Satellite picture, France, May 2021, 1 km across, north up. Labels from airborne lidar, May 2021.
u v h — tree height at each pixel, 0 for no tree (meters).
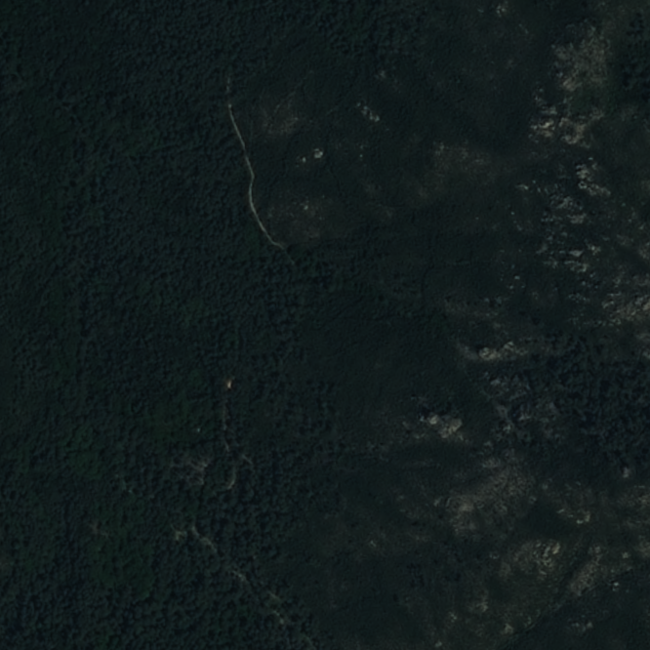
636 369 19
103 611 30
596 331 9
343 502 22
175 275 25
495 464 0
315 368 8
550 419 8
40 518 20
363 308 9
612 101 5
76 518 17
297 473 21
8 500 29
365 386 6
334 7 12
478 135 8
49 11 18
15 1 19
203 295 22
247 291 21
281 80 6
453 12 6
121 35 18
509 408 20
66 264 26
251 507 26
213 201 22
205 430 14
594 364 26
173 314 17
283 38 21
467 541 7
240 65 15
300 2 16
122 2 15
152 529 26
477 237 6
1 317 14
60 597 26
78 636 19
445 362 8
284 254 24
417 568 16
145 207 26
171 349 8
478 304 7
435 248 8
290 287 31
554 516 6
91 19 20
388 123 6
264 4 21
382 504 20
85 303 12
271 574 6
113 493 25
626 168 6
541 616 6
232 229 23
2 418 9
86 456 19
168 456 7
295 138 6
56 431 27
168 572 28
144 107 25
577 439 5
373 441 6
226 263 20
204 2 20
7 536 11
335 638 16
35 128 23
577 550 6
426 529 17
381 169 7
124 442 30
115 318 18
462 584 12
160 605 31
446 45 6
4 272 15
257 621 7
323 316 8
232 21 18
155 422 9
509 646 6
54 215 26
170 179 20
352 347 6
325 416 13
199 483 21
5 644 7
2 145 9
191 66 20
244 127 7
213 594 33
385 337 6
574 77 9
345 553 7
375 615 6
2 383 7
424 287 9
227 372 23
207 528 30
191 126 9
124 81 24
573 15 6
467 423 5
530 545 0
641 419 23
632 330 6
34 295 11
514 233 6
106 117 27
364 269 9
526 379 17
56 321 19
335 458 11
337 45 16
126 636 30
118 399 20
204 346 8
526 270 6
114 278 30
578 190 6
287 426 10
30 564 21
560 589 6
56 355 14
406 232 8
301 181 7
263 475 6
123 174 25
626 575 7
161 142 20
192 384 12
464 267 6
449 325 10
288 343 6
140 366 10
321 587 15
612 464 21
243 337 18
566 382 26
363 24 20
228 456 19
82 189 13
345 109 6
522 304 6
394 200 7
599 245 6
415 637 6
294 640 36
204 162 22
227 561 27
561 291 7
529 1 6
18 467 27
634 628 6
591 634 6
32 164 14
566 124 0
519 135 6
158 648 27
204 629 30
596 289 6
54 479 8
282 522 26
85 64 17
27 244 19
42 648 7
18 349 17
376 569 6
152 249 23
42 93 20
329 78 7
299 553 7
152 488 15
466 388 7
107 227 19
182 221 25
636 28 32
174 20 17
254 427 24
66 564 21
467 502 0
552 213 20
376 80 8
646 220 10
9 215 19
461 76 7
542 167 6
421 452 7
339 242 10
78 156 18
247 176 8
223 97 7
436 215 5
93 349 19
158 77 23
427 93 5
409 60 6
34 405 7
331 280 30
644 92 6
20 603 7
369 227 9
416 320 10
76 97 27
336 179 8
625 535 7
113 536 21
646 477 6
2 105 15
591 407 25
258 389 10
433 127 7
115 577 24
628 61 8
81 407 29
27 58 22
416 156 6
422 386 6
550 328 7
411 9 26
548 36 6
